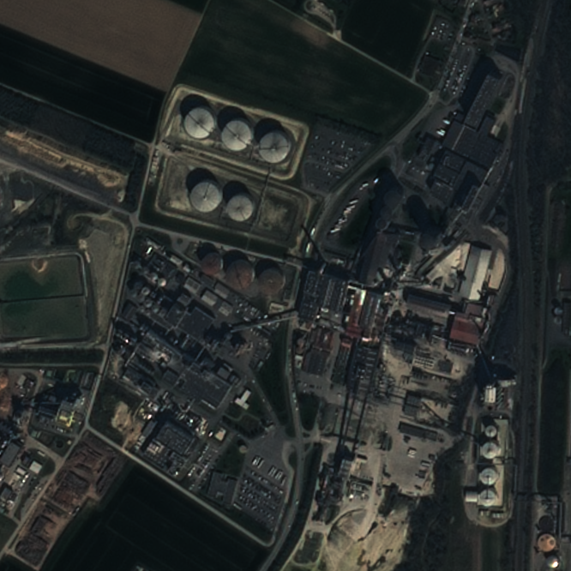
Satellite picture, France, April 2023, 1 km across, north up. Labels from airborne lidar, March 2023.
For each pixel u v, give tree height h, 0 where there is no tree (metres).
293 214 0
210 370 0
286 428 0
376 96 0
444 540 8
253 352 0
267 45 0
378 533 0
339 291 0
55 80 0
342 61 0
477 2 0
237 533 0
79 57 0
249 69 0
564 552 0
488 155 0
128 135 0
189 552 0
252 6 0
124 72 0
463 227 0
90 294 0
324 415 14
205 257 0
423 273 0
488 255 0
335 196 0
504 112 0
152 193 0
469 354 0
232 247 0
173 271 0
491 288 0
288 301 0
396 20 0
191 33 0
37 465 0
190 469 0
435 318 0
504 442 0
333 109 0
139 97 0
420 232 0
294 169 0
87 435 0
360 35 0
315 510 0
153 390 0
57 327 0
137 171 7
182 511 0
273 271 0
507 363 0
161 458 0
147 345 0
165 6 0
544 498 0
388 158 0
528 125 0
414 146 0
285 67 0
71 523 0
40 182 0
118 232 0
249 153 0
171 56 0
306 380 0
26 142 0
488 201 0
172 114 0
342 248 0
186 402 0
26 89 0
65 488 6
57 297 0
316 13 0
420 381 0
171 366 0
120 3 0
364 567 0
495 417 0
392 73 0
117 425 0
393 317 0
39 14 0
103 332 0
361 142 0
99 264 0
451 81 0
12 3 0
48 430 0
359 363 0
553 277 0
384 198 0
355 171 0
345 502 0
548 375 0
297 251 0
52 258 0
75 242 0
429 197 0
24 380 0
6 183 0
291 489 0
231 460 0
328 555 0
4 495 0
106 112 0
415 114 0
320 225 0
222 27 0
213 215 0
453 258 0
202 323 0
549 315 0
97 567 0
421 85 0
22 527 0
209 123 0
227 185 0
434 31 0
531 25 13
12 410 0
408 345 0
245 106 0
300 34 0
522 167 0
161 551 0
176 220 0
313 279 0
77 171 0
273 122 0
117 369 0
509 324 0
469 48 0
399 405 0
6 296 0
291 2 0
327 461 0
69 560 0
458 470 0
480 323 0
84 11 0
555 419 0
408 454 0
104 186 0
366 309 0
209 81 0
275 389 0
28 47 0
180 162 0
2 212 0
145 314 0
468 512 0
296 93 0
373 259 0
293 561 0
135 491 0
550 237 0
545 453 0
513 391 0
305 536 0
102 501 0
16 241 0
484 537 0
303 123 0
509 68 0
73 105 0
